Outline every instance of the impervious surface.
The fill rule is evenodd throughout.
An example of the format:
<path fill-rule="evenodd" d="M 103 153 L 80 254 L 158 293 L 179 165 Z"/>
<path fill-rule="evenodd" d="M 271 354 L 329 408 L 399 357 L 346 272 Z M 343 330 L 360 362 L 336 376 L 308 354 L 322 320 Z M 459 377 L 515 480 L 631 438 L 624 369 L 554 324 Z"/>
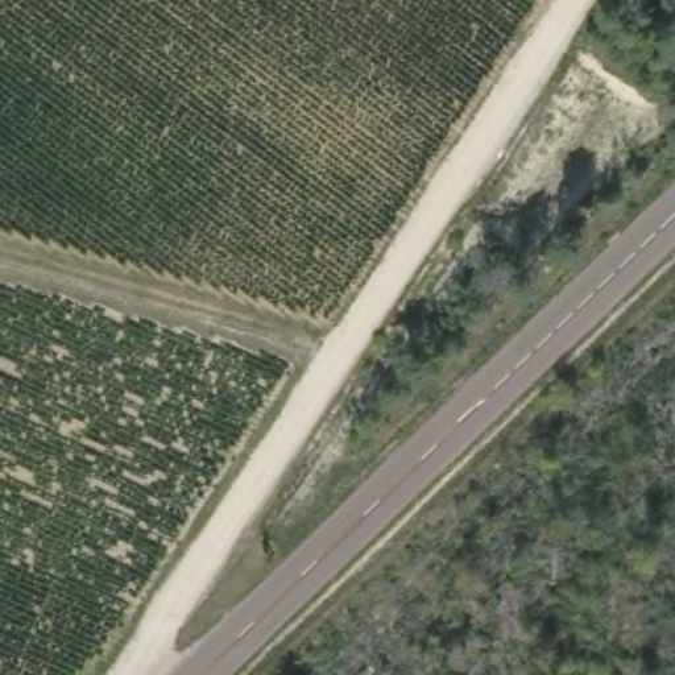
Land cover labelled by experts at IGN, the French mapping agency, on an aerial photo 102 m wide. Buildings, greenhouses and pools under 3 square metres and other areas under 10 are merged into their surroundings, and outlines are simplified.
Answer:
<path fill-rule="evenodd" d="M 659 277 L 664 277 L 675 266 L 675 179 L 649 208 L 643 208 L 633 219 L 628 229 L 612 235 L 606 248 L 572 282 L 567 282 L 562 293 L 551 298 L 514 338 L 509 338 L 498 348 L 498 353 L 488 359 L 485 367 L 480 367 L 472 377 L 456 382 L 456 393 L 411 438 L 393 448 L 388 459 L 285 562 L 279 562 L 248 599 L 227 609 L 224 617 L 195 643 L 177 651 L 179 664 L 169 675 L 250 675 L 298 625 L 303 625 L 327 599 L 332 599 L 340 585 L 359 575 L 422 512 L 422 506 L 427 506 L 488 443 L 493 443 L 538 398 L 538 380 L 543 377 L 543 372 L 548 372 L 559 359 L 572 364 L 585 351 L 591 351 L 596 340 L 635 301 L 641 301 L 641 295 L 651 285 L 659 282 Z"/>

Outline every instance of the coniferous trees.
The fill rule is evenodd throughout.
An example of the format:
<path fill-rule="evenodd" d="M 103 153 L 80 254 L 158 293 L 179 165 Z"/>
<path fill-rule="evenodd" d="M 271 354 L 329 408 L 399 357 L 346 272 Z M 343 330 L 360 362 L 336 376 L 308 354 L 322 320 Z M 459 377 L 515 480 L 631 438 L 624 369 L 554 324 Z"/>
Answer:
<path fill-rule="evenodd" d="M 662 127 L 670 124 L 675 129 L 675 0 L 596 0 L 588 8 L 585 21 L 580 26 L 593 40 L 591 55 L 596 55 L 606 71 L 633 84 L 646 100 L 651 100 L 657 105 Z"/>

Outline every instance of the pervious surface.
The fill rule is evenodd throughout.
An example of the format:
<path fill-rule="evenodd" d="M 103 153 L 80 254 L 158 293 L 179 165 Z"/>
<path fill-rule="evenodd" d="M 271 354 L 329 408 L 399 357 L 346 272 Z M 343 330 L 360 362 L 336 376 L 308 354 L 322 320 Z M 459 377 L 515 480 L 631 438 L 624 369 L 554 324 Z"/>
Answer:
<path fill-rule="evenodd" d="M 493 161 L 504 156 L 504 142 L 514 132 L 517 121 L 525 116 L 527 105 L 538 98 L 541 87 L 556 69 L 562 53 L 567 50 L 572 34 L 580 26 L 585 21 L 588 8 L 596 0 L 554 0 L 551 8 L 541 16 L 533 34 L 522 42 L 517 55 L 501 71 L 496 90 L 483 103 L 461 142 L 425 182 L 427 187 L 419 203 L 411 208 L 406 224 L 393 237 L 385 261 L 369 277 L 367 287 L 353 301 L 343 322 L 324 338 L 319 353 L 311 359 L 306 374 L 290 393 L 279 419 L 258 443 L 258 448 L 248 459 L 240 477 L 232 483 L 229 493 L 221 498 L 219 509 L 214 512 L 198 541 L 187 548 L 185 559 L 156 593 L 134 638 L 127 643 L 127 649 L 108 670 L 108 675 L 169 675 L 179 664 L 177 651 L 177 630 L 190 617 L 195 604 L 203 599 L 216 572 L 224 567 L 237 535 L 258 514 L 269 493 L 274 490 L 277 480 L 293 461 L 295 451 L 301 448 L 303 438 L 308 435 L 311 425 L 319 419 L 327 401 L 335 396 L 351 367 L 359 361 L 361 351 L 367 348 L 372 332 L 388 314 L 393 308 L 417 264 L 430 250 L 432 240 L 446 229 L 454 211 L 480 185 L 483 174 L 493 166 Z"/>

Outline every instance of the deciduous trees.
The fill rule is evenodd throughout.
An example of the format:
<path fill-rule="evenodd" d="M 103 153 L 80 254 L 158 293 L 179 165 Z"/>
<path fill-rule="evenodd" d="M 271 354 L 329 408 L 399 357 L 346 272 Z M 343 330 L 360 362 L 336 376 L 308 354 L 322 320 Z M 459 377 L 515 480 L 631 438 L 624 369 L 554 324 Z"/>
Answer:
<path fill-rule="evenodd" d="M 298 625 L 250 675 L 675 675 L 675 266 L 664 277 L 659 277 L 659 282 L 651 285 L 641 295 L 641 301 L 635 301 L 596 340 L 591 351 L 585 351 L 572 364 L 559 359 L 548 372 L 543 372 L 543 377 L 538 380 L 538 398 L 493 443 L 488 443 L 427 506 L 422 506 L 422 512 L 359 575 L 340 585 L 332 599 L 327 599 L 303 625 Z"/>
<path fill-rule="evenodd" d="M 380 398 L 385 398 L 388 393 L 409 393 L 409 385 L 398 382 L 390 367 L 377 364 L 372 377 L 361 377 L 361 398 L 343 398 L 343 409 L 351 419 L 377 422 Z"/>
<path fill-rule="evenodd" d="M 469 248 L 464 264 L 446 282 L 448 298 L 414 298 L 406 301 L 403 311 L 393 308 L 388 314 L 396 324 L 409 327 L 409 345 L 414 345 L 414 361 L 438 359 L 448 351 L 461 351 L 467 343 L 467 330 L 472 327 L 477 311 L 490 308 L 496 303 L 496 295 L 506 290 L 512 282 L 527 285 L 541 272 L 538 256 L 548 250 L 577 253 L 585 224 L 583 211 L 596 203 L 614 200 L 620 195 L 622 182 L 633 179 L 635 174 L 643 174 L 667 145 L 675 145 L 675 129 L 670 124 L 662 127 L 657 140 L 630 148 L 628 161 L 617 166 L 606 163 L 606 169 L 596 169 L 596 158 L 591 150 L 570 150 L 564 158 L 564 171 L 556 192 L 535 190 L 527 200 L 509 200 L 504 211 L 483 214 L 483 237 L 475 248 Z"/>

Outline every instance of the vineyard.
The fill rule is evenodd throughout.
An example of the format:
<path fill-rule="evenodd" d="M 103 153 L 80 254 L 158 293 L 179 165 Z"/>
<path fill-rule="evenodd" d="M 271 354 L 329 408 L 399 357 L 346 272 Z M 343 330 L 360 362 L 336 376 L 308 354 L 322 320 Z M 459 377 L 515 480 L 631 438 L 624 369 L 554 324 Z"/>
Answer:
<path fill-rule="evenodd" d="M 187 517 L 187 509 L 203 493 L 203 488 L 216 475 L 219 464 L 224 461 L 227 448 L 237 443 L 250 414 L 261 406 L 264 396 L 272 393 L 274 382 L 285 372 L 285 361 L 274 353 L 256 356 L 243 348 L 211 340 L 195 343 L 192 335 L 156 330 L 148 319 L 113 322 L 103 314 L 103 308 L 79 308 L 61 301 L 58 295 L 47 298 L 42 293 L 8 287 L 0 282 L 0 675 L 76 675 L 84 659 L 103 649 L 105 635 L 121 622 L 127 612 L 127 601 L 121 599 L 124 585 L 134 580 L 145 583 L 148 575 L 156 570 L 158 559 L 163 556 L 163 546 L 150 541 L 148 535 L 158 527 L 169 535 L 177 535 L 179 525 Z"/>
<path fill-rule="evenodd" d="M 551 8 L 554 0 L 0 0 L 0 229 L 21 232 L 26 237 L 40 240 L 55 240 L 61 245 L 113 256 L 119 261 L 145 264 L 174 277 L 190 277 L 198 282 L 208 282 L 214 287 L 229 287 L 237 293 L 248 293 L 253 298 L 266 298 L 272 303 L 285 303 L 290 308 L 306 308 L 311 314 L 324 316 L 340 308 L 340 295 L 351 287 L 351 282 L 372 258 L 374 240 L 385 235 L 393 237 L 406 224 L 411 208 L 419 203 L 427 187 L 425 182 L 461 142 L 483 103 L 496 90 L 501 71 L 517 55 L 522 42 L 533 34 L 541 16 Z"/>

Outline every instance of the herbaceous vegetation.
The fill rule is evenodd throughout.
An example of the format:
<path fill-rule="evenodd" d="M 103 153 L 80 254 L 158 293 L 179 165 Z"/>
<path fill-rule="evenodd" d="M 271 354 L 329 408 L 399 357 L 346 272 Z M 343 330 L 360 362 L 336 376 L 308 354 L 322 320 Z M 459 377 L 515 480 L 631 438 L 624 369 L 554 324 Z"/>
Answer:
<path fill-rule="evenodd" d="M 596 55 L 591 55 L 593 40 L 580 26 L 572 34 L 567 50 L 562 53 L 556 69 L 541 87 L 538 98 L 527 105 L 525 116 L 517 121 L 514 132 L 504 142 L 504 156 L 493 161 L 493 166 L 483 174 L 480 185 L 454 211 L 446 229 L 432 240 L 430 250 L 417 264 L 393 308 L 403 311 L 406 301 L 414 298 L 448 298 L 446 282 L 464 264 L 469 248 L 475 248 L 483 237 L 483 214 L 504 211 L 509 200 L 527 200 L 535 190 L 556 192 L 564 171 L 564 158 L 570 150 L 591 150 L 596 158 L 596 169 L 606 169 L 606 163 L 617 166 L 628 161 L 630 148 L 657 140 L 662 127 L 657 105 L 651 100 L 646 100 L 633 84 L 606 71 Z"/>
<path fill-rule="evenodd" d="M 612 235 L 628 229 L 633 219 L 643 208 L 649 208 L 675 179 L 675 145 L 667 145 L 643 174 L 635 174 L 633 179 L 622 182 L 620 195 L 614 200 L 596 203 L 583 211 L 585 224 L 577 253 L 548 250 L 538 256 L 541 272 L 527 285 L 512 282 L 506 290 L 496 295 L 496 303 L 490 308 L 477 311 L 472 327 L 467 330 L 467 343 L 461 351 L 448 351 L 438 359 L 414 361 L 414 345 L 409 345 L 409 327 L 396 324 L 388 314 L 372 332 L 367 348 L 361 351 L 359 361 L 351 367 L 335 396 L 327 401 L 319 419 L 311 425 L 308 435 L 303 438 L 301 448 L 295 451 L 293 461 L 277 480 L 274 490 L 269 493 L 258 514 L 237 535 L 224 567 L 216 572 L 203 599 L 195 604 L 190 617 L 177 630 L 177 651 L 195 643 L 224 617 L 227 609 L 248 599 L 279 562 L 285 562 L 388 459 L 393 448 L 411 438 L 456 393 L 456 382 L 472 377 L 480 367 L 485 367 L 488 359 L 498 353 L 498 348 L 509 338 L 514 338 L 551 298 L 562 293 L 567 282 L 572 282 L 606 248 Z M 390 367 L 398 382 L 409 385 L 409 393 L 388 393 L 385 398 L 380 398 L 377 422 L 351 419 L 343 409 L 343 398 L 361 398 L 361 377 L 372 377 L 377 364 Z"/>
<path fill-rule="evenodd" d="M 279 419 L 290 393 L 306 374 L 311 359 L 319 353 L 324 338 L 343 322 L 353 301 L 367 287 L 369 277 L 385 261 L 393 237 L 385 235 L 374 240 L 372 258 L 351 282 L 351 287 L 340 295 L 340 308 L 324 316 L 311 314 L 306 308 L 290 308 L 285 303 L 272 303 L 266 298 L 253 298 L 248 293 L 237 293 L 229 287 L 214 287 L 208 282 L 198 282 L 190 277 L 174 277 L 145 264 L 119 261 L 113 256 L 61 245 L 55 240 L 40 240 L 26 237 L 21 232 L 0 229 L 0 282 L 8 287 L 42 293 L 47 298 L 58 295 L 61 301 L 79 308 L 103 308 L 103 314 L 113 322 L 148 319 L 156 330 L 192 335 L 195 343 L 211 340 L 243 348 L 256 356 L 274 353 L 285 361 L 285 372 L 274 382 L 272 393 L 264 396 L 261 406 L 250 414 L 237 443 L 227 448 L 224 461 L 219 464 L 216 475 L 203 488 L 203 493 L 187 509 L 187 517 L 179 525 L 177 535 L 169 535 L 158 527 L 148 535 L 150 541 L 163 546 L 163 556 L 158 559 L 156 570 L 148 575 L 145 583 L 134 580 L 124 585 L 121 599 L 127 601 L 127 612 L 121 622 L 105 635 L 103 649 L 84 659 L 76 675 L 108 675 L 108 670 L 127 649 L 127 643 L 134 638 L 156 593 L 185 559 L 187 548 L 198 541 L 214 512 L 219 509 L 221 498 L 229 493 L 232 483 L 240 477 L 248 459 L 258 448 L 258 443 Z"/>

